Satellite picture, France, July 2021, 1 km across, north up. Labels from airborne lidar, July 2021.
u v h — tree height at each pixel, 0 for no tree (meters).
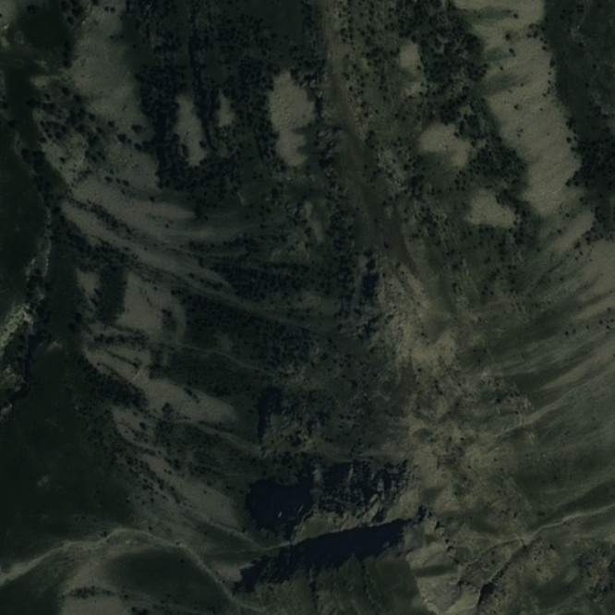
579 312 0
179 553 0
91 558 0
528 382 0
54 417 0
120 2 0
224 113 0
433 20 9
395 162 10
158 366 10
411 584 0
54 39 0
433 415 0
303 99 0
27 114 0
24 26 0
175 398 0
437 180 0
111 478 0
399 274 0
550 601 0
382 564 0
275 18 0
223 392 10
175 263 0
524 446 0
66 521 0
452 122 9
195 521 0
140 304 0
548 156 0
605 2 0
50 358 0
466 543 0
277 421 0
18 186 0
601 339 0
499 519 0
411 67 0
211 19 8
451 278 0
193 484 0
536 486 0
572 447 0
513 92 0
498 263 0
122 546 0
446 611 0
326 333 0
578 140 7
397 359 0
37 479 0
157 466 0
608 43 0
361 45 0
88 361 6
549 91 7
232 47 12
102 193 0
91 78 0
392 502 0
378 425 0
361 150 0
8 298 0
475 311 0
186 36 0
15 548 0
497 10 0
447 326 0
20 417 0
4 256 0
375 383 0
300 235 0
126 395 17
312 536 0
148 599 0
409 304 0
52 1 0
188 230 0
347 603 0
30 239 0
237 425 0
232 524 0
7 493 0
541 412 0
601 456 0
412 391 0
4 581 0
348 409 0
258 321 8
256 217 0
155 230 0
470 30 0
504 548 0
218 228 0
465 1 0
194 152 0
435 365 0
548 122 0
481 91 0
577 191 0
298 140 0
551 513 0
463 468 0
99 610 0
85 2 0
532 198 0
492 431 0
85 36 0
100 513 0
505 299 0
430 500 0
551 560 0
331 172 11
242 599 0
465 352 0
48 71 0
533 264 0
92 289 0
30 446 0
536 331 0
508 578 0
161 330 0
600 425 0
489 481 0
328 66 0
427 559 0
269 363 7
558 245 0
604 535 0
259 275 7
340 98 0
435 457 0
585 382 0
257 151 0
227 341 0
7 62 0
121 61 0
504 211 0
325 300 0
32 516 0
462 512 0
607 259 0
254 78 8
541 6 0
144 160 0
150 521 0
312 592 0
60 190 0
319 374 0
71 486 0
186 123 0
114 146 0
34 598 0
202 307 9
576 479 0
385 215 0
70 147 0
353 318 0
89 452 0
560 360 0
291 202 0
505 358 0
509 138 0
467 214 0
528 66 0
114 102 0
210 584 0
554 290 0
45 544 0
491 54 0
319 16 0
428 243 0
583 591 0
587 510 0
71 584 0
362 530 0
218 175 10
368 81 0
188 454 0
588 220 0
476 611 0
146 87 8
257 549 0
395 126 0
